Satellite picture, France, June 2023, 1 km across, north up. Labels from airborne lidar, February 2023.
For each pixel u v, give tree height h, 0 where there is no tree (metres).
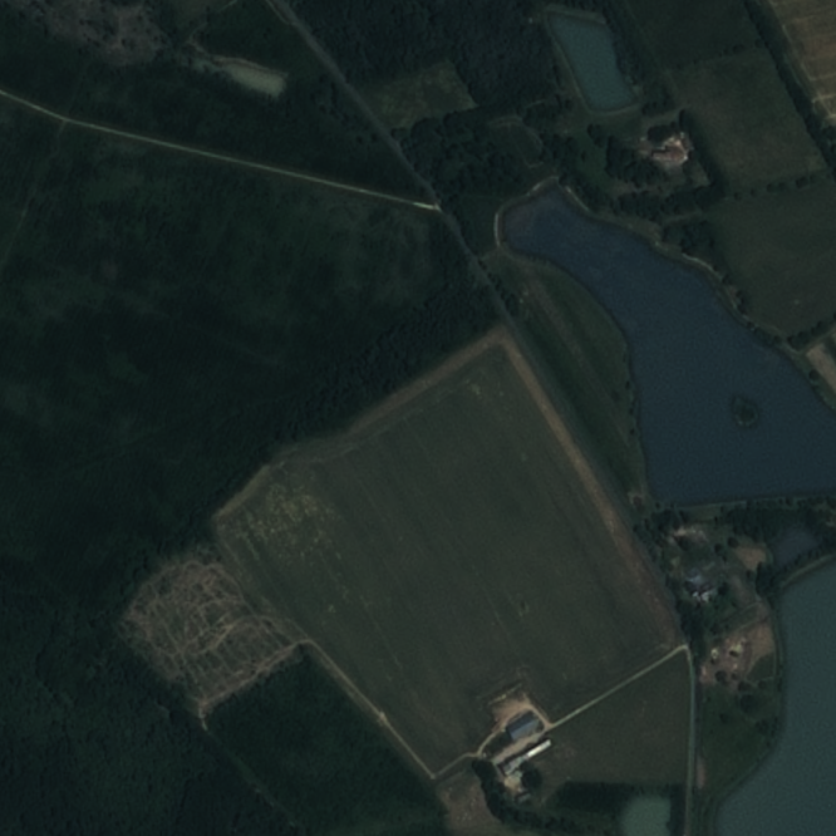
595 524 0
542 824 10
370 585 0
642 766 0
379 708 0
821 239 0
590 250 0
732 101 0
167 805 11
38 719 9
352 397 23
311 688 6
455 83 0
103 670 20
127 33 0
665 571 8
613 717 0
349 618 0
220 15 6
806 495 0
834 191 0
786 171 0
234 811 26
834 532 17
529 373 0
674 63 0
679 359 0
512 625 0
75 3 0
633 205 24
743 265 0
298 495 0
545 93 17
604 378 0
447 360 0
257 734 6
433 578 0
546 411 0
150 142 0
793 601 0
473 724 0
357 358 7
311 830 6
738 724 0
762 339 14
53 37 24
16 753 22
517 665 0
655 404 0
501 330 0
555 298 0
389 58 20
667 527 23
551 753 0
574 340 0
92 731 8
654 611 0
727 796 0
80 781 10
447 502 0
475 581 0
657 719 0
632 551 0
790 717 0
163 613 27
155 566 11
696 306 0
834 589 0
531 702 0
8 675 8
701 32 0
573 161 15
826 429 0
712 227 19
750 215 0
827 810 0
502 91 24
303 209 0
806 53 0
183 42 21
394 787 7
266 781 7
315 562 0
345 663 0
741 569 0
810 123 17
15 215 0
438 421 0
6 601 20
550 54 14
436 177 19
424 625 0
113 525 6
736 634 0
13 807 19
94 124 0
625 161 12
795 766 0
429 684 0
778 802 0
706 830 0
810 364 0
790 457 0
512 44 25
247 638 20
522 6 24
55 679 19
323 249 0
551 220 0
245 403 7
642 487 0
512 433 0
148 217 8
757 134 0
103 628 24
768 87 0
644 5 0
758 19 20
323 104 23
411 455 0
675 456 0
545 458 0
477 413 0
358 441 0
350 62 17
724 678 11
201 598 21
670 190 7
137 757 8
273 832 18
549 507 0
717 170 14
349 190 0
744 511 12
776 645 0
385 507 0
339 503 0
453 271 6
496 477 0
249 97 6
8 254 0
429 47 26
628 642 0
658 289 0
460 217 20
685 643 0
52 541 6
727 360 0
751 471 0
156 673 18
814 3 0
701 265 0
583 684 0
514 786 0
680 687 0
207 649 23
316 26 16
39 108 0
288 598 0
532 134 0
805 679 0
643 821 0
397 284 0
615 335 0
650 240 0
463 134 24
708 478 0
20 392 0
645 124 0
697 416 0
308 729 6
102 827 16
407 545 0
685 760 0
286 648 15
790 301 0
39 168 0
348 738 6
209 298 6
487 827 0
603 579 0
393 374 21
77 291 0
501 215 0
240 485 11
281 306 0
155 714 9
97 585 7
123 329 6
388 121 0
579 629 0
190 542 15
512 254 0
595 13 12
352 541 0
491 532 0
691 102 0
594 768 0
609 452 0
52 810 22
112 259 10
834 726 0
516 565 0
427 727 0
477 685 0
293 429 10
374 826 0
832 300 0
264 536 0
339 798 7
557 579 0
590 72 0
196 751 12
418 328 12
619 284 0
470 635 0
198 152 0
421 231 0
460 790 0
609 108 0
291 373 6
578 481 0
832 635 0
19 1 0
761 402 0
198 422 6
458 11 22
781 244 0
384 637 0
